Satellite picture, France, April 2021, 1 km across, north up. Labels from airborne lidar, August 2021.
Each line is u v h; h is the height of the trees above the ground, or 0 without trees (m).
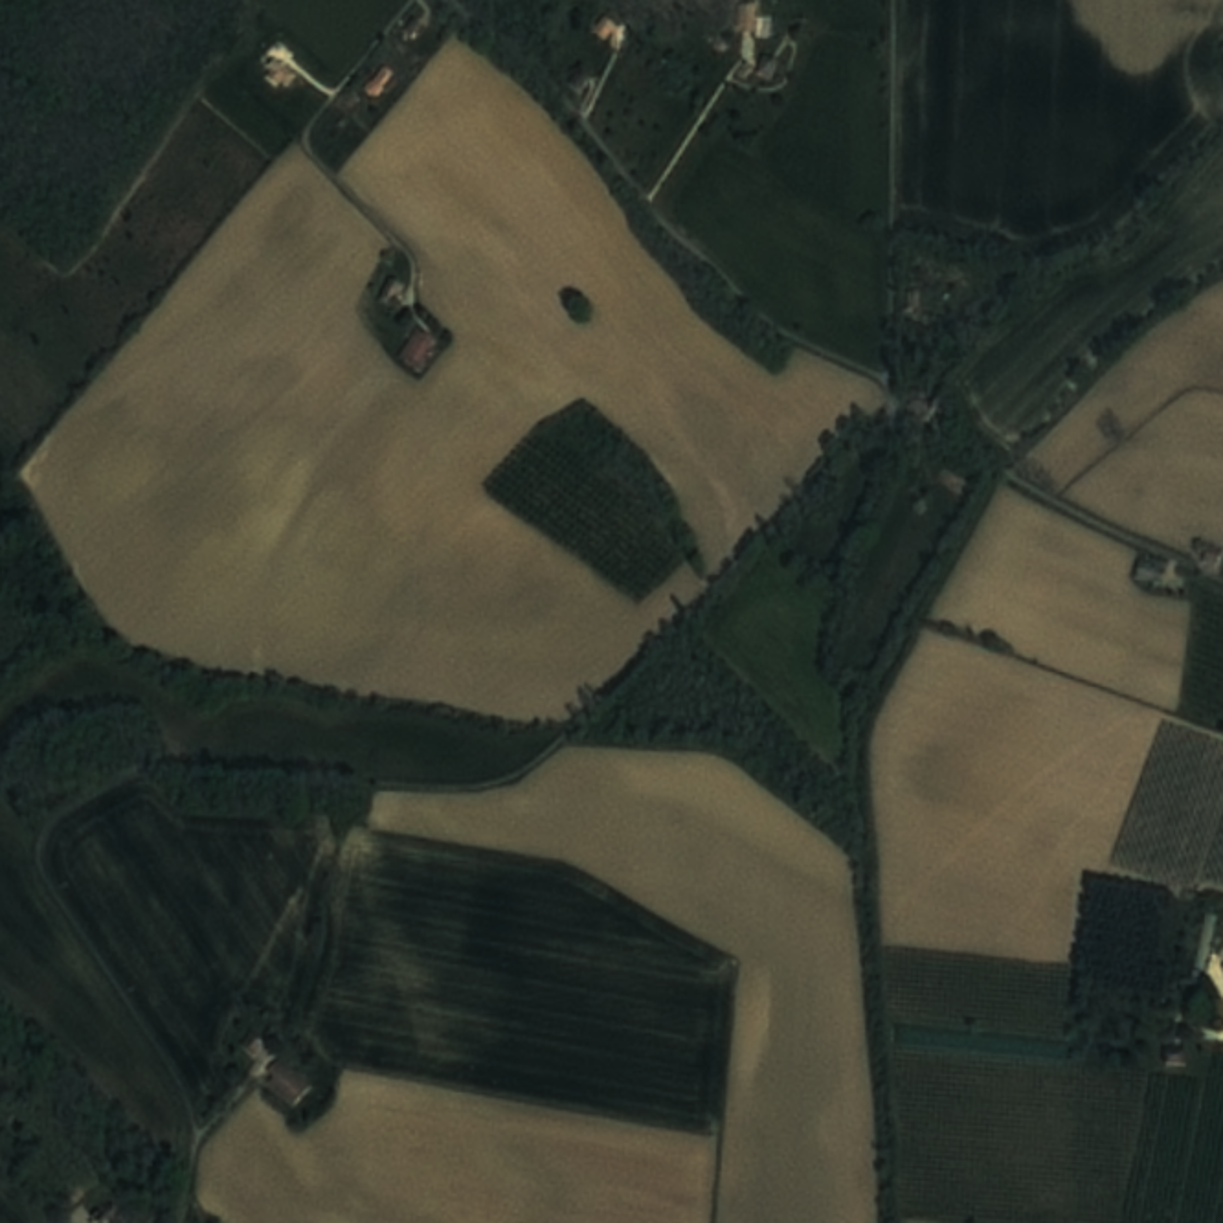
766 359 9
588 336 0
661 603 0
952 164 0
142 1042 0
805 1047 0
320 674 0
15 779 20
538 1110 0
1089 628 0
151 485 0
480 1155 0
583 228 0
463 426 0
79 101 17
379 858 0
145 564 0
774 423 0
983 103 0
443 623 0
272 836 0
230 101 0
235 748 0
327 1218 0
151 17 18
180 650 0
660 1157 0
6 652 8
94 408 0
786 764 9
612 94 0
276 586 0
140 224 8
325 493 0
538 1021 0
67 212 16
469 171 0
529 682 0
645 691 21
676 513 20
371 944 0
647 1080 0
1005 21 0
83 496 0
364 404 0
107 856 0
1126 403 0
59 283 8
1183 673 0
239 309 0
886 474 29
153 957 0
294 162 0
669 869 0
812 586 22
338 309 0
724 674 16
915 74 0
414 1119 0
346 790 20
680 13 11
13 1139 11
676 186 0
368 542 0
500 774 0
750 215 0
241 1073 10
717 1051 0
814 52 0
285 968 0
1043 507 0
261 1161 0
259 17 0
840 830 19
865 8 0
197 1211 0
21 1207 0
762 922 0
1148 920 14
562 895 0
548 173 0
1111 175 0
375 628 0
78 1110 24
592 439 9
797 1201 0
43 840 0
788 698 0
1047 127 0
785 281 0
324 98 0
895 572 0
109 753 18
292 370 0
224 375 0
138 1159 15
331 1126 0
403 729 0
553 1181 0
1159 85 0
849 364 0
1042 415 0
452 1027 0
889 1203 7
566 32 6
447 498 0
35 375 0
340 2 0
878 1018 9
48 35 19
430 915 0
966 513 12
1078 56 0
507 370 0
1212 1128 6
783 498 0
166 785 17
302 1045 14
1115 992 12
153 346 0
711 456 0
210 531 0
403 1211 0
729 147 0
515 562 0
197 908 0
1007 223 0
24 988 0
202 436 0
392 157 0
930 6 0
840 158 0
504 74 17
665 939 0
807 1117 0
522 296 0
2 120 20
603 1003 0
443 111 0
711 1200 0
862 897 8
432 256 0
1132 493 0
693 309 7
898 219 0
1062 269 22
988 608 0
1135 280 0
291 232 0
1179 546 0
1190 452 0
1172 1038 10
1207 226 0
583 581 0
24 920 0
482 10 16
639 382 0
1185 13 0
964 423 18
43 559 23
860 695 14
